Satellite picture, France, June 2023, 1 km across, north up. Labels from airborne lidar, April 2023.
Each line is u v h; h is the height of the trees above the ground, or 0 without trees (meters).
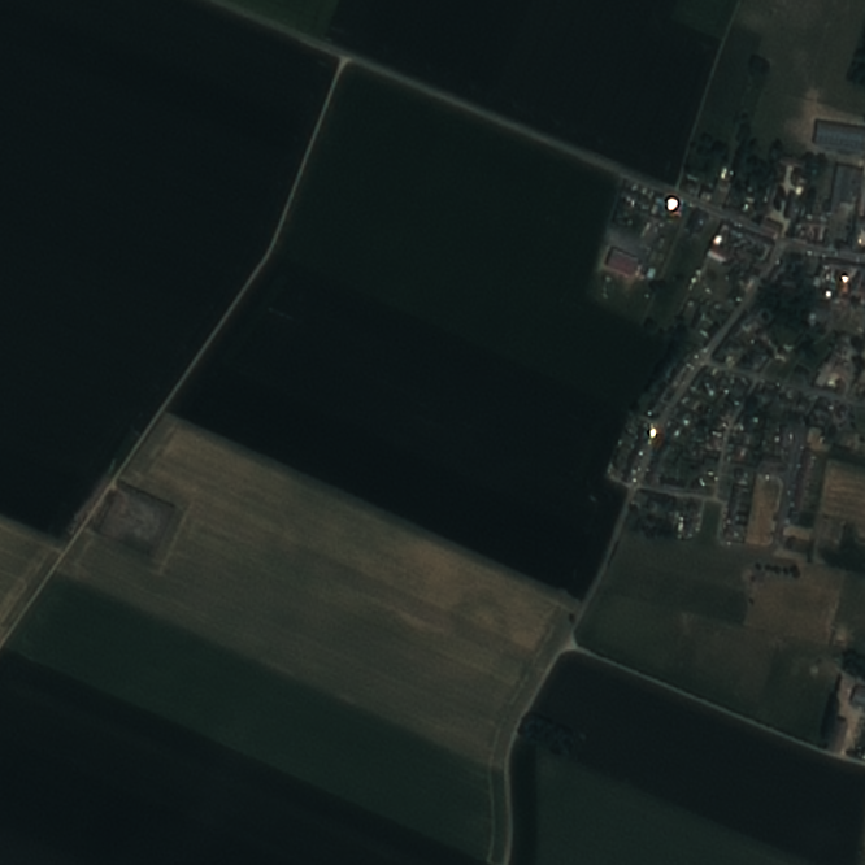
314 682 0
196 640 0
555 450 0
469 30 0
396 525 0
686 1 0
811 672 0
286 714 0
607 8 0
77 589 0
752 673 0
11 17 0
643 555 0
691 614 0
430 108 0
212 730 0
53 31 0
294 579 0
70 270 0
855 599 0
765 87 0
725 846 0
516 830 0
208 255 0
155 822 0
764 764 0
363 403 0
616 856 0
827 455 0
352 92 0
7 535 0
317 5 0
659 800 0
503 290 0
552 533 0
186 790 0
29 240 0
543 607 0
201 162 0
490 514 0
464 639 0
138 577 0
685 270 0
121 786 0
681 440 0
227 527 0
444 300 0
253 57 0
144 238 0
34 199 0
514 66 0
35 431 0
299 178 0
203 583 0
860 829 0
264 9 0
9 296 0
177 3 0
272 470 0
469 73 0
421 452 0
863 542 0
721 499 0
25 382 0
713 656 0
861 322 0
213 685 0
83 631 0
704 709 0
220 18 0
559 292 0
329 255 0
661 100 0
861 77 8
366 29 0
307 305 0
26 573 0
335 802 0
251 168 0
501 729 0
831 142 0
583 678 0
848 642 0
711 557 0
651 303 0
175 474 0
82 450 0
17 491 0
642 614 0
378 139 0
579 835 0
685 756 0
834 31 0
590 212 0
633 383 0
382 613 0
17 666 0
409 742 0
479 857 0
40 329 0
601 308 0
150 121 0
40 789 0
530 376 0
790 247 0
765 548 0
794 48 0
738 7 0
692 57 0
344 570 0
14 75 0
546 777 0
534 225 0
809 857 0
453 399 0
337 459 0
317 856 0
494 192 0
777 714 0
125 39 0
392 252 0
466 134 0
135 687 0
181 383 0
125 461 0
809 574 0
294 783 0
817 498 0
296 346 0
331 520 0
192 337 0
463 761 0
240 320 0
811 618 0
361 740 0
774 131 0
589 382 0
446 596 0
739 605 0
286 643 0
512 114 0
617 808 0
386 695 0
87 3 0
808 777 0
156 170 0
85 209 0
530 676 0
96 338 0
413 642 0
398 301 0
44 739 0
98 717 0
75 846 0
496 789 0
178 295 0
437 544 0
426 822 0
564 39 0
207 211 0
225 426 0
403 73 0
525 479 0
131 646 0
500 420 0
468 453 0
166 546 0
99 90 0
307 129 0
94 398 0
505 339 0
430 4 0
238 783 0
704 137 8
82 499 0
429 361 0
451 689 0
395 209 0
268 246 0
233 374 0
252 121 0
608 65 0
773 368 0
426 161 0
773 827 0
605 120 0
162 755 0
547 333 0
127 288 0
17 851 0
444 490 0
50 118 0
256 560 0
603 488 0
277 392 0
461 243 0
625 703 0
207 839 0
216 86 0
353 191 0
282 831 0
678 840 0
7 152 0
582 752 0
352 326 0
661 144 0
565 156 0
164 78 0
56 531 0
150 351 0
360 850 0
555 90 0
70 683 0
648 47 0
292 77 0
